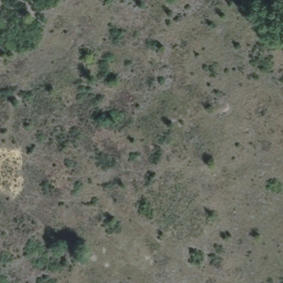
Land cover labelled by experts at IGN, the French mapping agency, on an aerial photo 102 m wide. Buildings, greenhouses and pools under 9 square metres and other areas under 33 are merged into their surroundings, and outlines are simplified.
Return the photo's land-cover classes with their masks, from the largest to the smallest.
<instances>
[{"label":"herbaceous vegetation","instance_id":"1","mask_svg":"<svg viewBox=\"0 0 283 283\"><path fill-rule=\"evenodd\" d=\"M243 0H60L55 7L42 10L46 22L39 21L43 29L39 48L35 46L32 50L19 53L15 51L11 56H0V283H283V51L275 50L272 54L273 73H265L259 67L252 66L249 52L256 41H260L252 30L251 20L245 19L238 10ZM106 52H111L115 60L108 64V70L112 73L107 75L105 81L98 78L97 73L91 75L90 70L83 64H78V60H84L87 55H93L96 61L101 60ZM109 108H116L118 113L126 111L133 119L132 124L122 132L103 128V120H94L92 115L99 109L108 111ZM96 147L107 154L109 160L116 161L114 167L106 170L96 167ZM140 198L149 201L153 209V218L147 219L138 214L135 202ZM34 237L38 241L43 238L45 248L49 249L57 247L60 242H66L70 255L76 258L78 245L86 243L92 248L91 259L86 264L77 262L72 272L67 271L65 266L60 272L40 271L35 270L30 260L23 255L25 243ZM214 243L222 245L223 248L222 262L218 269L209 262V253L214 249Z\"/></svg>","mask_w":283,"mask_h":283},{"label":"brushwood","instance_id":"2","mask_svg":"<svg viewBox=\"0 0 283 283\"><path fill-rule=\"evenodd\" d=\"M60 0H0V56H11L15 51L19 53L32 50L35 46L39 48L43 29L39 21L46 22L42 10L55 7ZM275 50L265 48L260 41H256L249 52L252 66L259 67L265 73H273L272 54ZM115 60L111 52H106L101 60L96 61L93 55H87L84 60H78V64H83L90 70L91 75L97 73L98 78L105 81L107 75L112 73L108 70V64ZM94 120H103V128L122 132L132 124L133 119L126 111L118 113L116 108H109L108 111L99 109L92 115ZM96 167L106 170L114 167L116 161L109 160L107 154L96 147ZM138 214L147 219L153 218V209L149 201L140 198L135 202ZM23 255L30 260L35 270L40 271L60 272L65 266L67 271L72 272L77 262L76 258L70 255L66 242H60L57 247L49 249L45 248L43 238L38 241L34 237L25 243ZM214 249L209 253V262L218 269L222 262L223 248L222 245L214 243Z\"/></svg>","mask_w":283,"mask_h":283},{"label":"deciduous trees","instance_id":"3","mask_svg":"<svg viewBox=\"0 0 283 283\"><path fill-rule=\"evenodd\" d=\"M238 10L245 19L251 20L252 30L260 41L265 48L275 50L283 51V0H243ZM92 248L86 243L78 245L76 258L77 262L86 264L91 259Z\"/></svg>","mask_w":283,"mask_h":283}]
</instances>
